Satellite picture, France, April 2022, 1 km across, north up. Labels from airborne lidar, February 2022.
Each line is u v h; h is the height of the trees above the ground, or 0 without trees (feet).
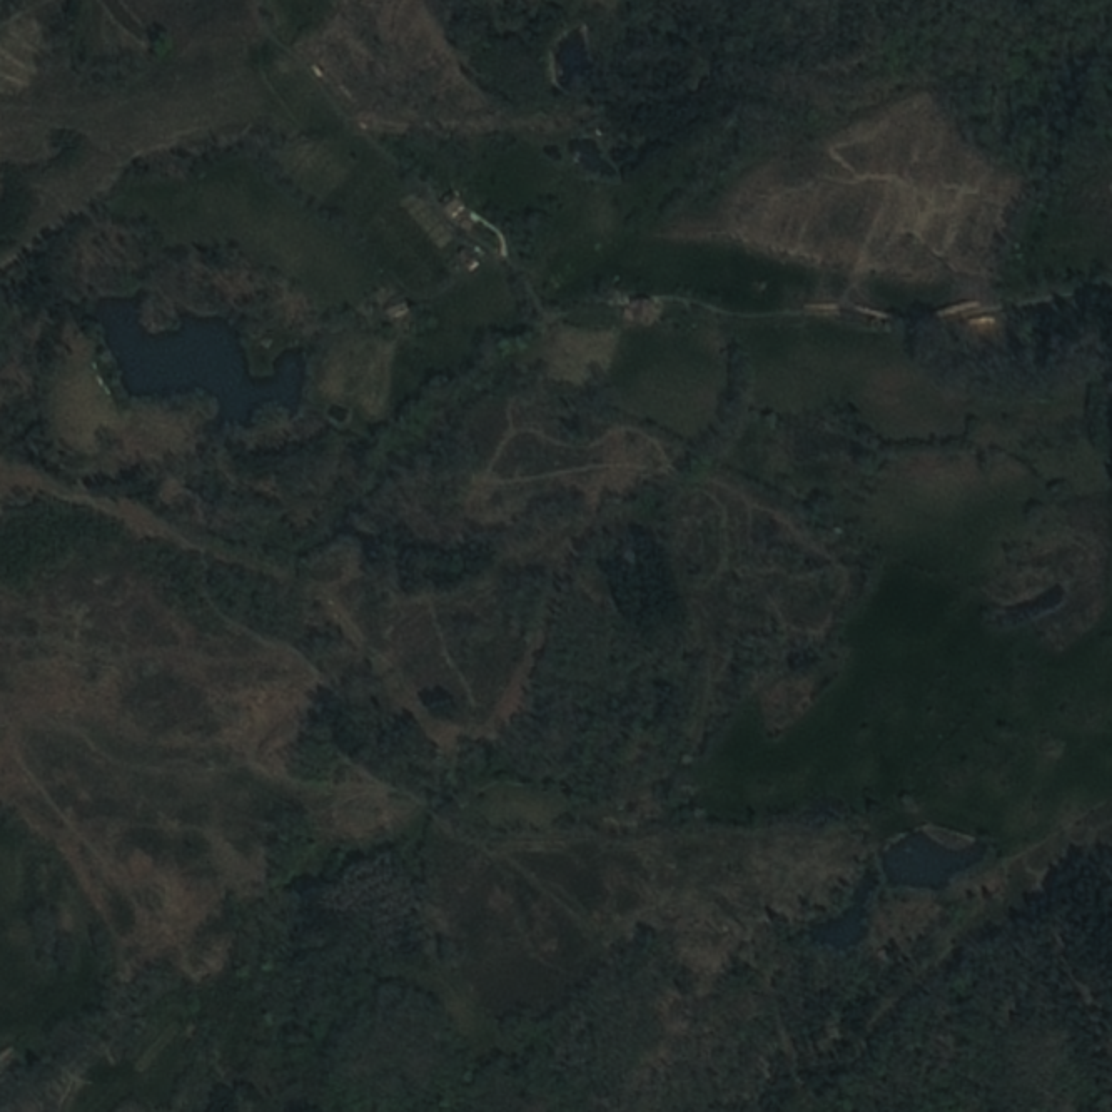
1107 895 83
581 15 24
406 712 0
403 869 52
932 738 0
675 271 0
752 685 57
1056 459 0
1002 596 0
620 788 60
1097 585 0
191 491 0
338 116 0
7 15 0
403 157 29
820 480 0
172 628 0
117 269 76
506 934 0
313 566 51
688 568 20
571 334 0
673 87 43
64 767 0
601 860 0
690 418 0
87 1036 82
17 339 68
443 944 47
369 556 39
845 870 0
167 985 80
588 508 75
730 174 67
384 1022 57
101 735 0
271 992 89
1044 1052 28
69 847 0
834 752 0
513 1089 30
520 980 0
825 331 0
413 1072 95
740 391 57
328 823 0
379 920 58
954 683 0
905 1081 40
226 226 0
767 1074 74
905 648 0
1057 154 94
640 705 75
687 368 0
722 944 0
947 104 87
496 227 45
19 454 41
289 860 87
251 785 0
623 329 0
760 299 0
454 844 0
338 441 44
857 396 0
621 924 0
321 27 0
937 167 76
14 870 0
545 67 35
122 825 0
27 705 0
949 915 75
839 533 44
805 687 0
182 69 0
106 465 0
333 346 50
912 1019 66
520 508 0
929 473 0
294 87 0
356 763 74
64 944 80
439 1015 68
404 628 0
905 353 0
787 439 0
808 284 0
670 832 40
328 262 0
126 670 0
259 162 81
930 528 0
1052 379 106
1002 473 0
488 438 0
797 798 0
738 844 0
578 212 0
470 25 76
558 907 0
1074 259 0
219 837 0
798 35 73
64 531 41
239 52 0
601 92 75
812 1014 67
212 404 39
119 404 0
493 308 0
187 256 19
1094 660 0
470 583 63
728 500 0
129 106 0
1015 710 0
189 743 0
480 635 60
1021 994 56
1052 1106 78
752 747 0
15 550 41
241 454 64
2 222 27
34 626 0
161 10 0
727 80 106
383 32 0
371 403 0
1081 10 89
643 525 0
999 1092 84
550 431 0
